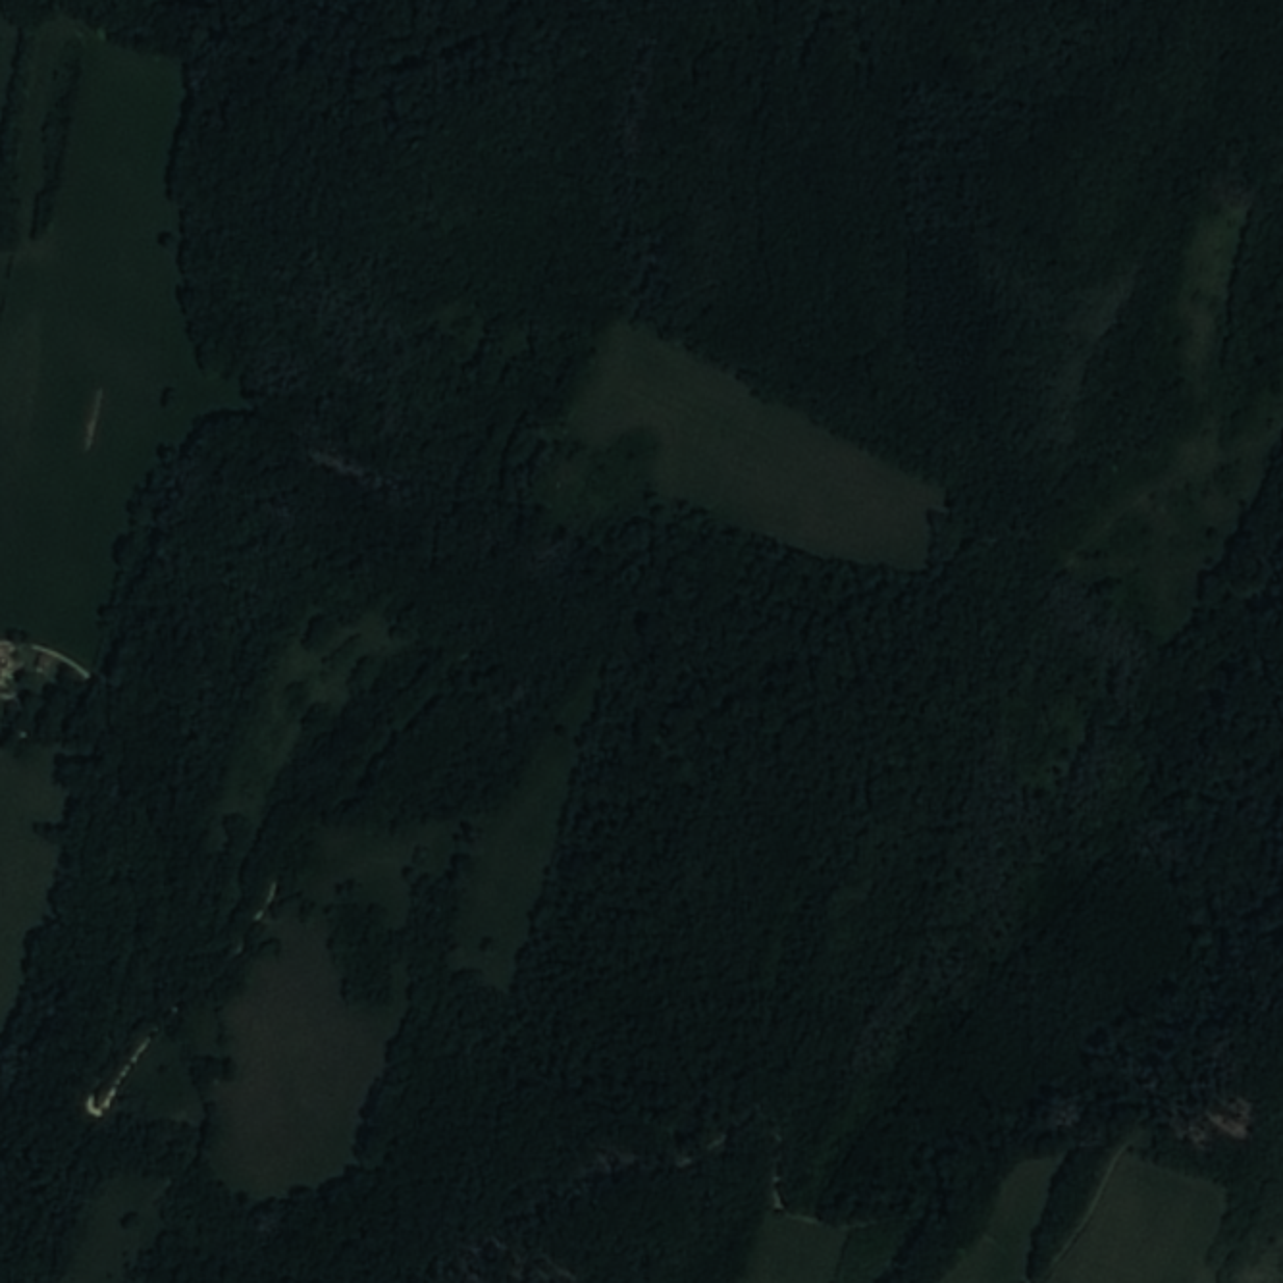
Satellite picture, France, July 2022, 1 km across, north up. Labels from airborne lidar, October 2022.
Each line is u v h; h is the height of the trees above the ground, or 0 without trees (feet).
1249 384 46
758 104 35
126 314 0
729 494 0
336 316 50
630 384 0
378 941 21
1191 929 32
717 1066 51
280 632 53
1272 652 94
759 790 36
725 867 43
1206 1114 58
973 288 48
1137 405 71
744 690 71
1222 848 117
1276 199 65
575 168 56
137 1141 40
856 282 58
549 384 63
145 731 41
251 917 39
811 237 55
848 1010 53
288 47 84
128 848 58
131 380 0
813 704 70
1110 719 57
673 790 45
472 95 74
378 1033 0
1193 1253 0
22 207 33
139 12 61
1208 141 72
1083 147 49
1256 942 86
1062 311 30
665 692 58
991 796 61
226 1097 0
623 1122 71
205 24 90
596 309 73
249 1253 38
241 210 30
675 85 78
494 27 86
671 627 75
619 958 51
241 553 38
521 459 32
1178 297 50
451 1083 54
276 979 0
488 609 44
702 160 53
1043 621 53
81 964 51
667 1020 52
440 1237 56
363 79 96
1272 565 118
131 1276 21
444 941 27
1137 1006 35
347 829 39
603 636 58
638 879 53
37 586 0
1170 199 52
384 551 72
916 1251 59
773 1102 53
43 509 0
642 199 74
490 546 57
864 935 48
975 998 53
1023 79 50
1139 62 69
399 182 49
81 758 28
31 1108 70
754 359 47
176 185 50
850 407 51
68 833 52
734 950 26
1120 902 31
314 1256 52
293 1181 0
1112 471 70
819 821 52
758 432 0
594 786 64
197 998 47
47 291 0
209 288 44
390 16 83
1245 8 73
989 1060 35
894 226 54
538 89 42
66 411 0
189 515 50
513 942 0
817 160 65
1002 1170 43
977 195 50
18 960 0
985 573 47
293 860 37
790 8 62
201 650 59
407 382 49
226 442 60
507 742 34
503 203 45
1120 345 64
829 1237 0
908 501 0
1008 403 49
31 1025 37
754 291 36
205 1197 48
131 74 0
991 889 58
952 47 68
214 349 53
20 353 0
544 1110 65
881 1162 32
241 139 53
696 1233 29
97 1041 50
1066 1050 46
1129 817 100
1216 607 60
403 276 44
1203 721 116
